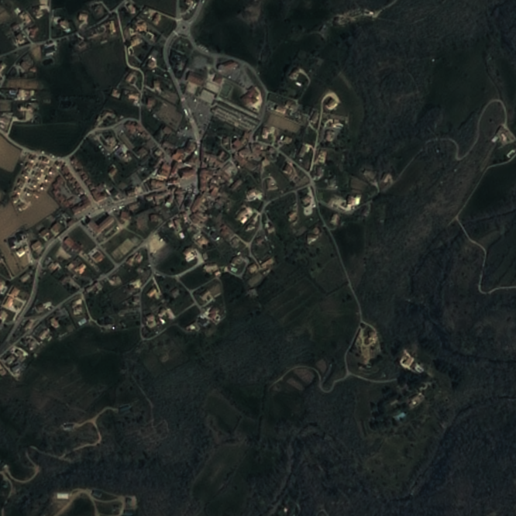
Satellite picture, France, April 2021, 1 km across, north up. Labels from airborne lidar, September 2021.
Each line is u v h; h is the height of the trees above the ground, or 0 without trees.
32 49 0
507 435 18
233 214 0
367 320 0
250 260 9
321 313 0
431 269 18
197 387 9
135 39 0
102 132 0
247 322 8
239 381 9
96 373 0
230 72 0
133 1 0
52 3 0
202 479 0
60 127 0
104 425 9
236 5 0
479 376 11
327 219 7
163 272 0
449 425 33
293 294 0
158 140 6
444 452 17
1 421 0
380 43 34
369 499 22
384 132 11
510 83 0
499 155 0
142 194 0
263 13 11
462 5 7
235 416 0
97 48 0
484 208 0
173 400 12
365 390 0
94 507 0
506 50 10
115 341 0
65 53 0
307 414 17
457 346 17
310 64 6
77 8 0
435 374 0
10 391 0
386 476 22
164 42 0
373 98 11
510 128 0
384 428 12
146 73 7
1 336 0
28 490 8
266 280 9
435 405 8
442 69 0
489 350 19
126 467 17
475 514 12
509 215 11
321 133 9
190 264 0
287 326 0
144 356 0
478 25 10
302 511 12
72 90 0
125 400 0
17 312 0
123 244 0
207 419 22
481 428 12
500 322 0
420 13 8
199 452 21
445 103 0
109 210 0
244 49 0
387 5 8
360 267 0
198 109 0
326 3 15
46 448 19
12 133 0
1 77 0
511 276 0
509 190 0
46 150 0
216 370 18
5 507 15
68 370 0
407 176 0
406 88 6
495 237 0
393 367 10
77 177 0
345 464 20
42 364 0
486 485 16
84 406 0
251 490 8
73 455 13
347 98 0
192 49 7
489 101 0
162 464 24
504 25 19
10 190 0
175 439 8
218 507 0
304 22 0
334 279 0
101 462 13
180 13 0
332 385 0
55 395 0
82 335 0
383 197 9
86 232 0
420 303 0
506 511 12
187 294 6
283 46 0
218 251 0
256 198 0
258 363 11
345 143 6
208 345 9
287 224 0
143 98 6
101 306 10
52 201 0
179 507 19
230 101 0
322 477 13
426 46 21
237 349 8
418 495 8
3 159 0
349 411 9
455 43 14
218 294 0
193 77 0
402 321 20
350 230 0
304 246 6
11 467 0
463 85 0
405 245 10
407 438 16
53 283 0
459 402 10
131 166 0
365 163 12
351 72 13
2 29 0
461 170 0
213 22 0
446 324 38
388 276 15
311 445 22
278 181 0
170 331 0
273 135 0
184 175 0
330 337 0
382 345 9
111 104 0
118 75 0
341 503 6
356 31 29
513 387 17
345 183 0
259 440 14
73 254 0
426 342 22
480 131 0
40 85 0
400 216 7
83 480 11
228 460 0
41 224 0
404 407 8
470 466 18
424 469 18
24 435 13
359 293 10
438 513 11
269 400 0
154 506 10
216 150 6
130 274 0
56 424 10
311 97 0
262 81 0
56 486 15
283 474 14
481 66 0
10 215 0
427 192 10
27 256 0
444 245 10
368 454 11
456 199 0
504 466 5
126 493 8
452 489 11
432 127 11
